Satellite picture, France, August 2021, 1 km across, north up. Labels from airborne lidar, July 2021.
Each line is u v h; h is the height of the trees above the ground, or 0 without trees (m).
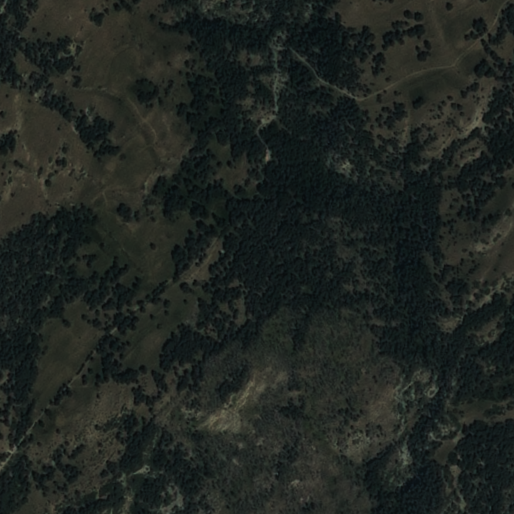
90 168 0
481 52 0
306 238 18
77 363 0
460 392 9
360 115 7
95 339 0
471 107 0
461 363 6
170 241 0
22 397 15
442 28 0
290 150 15
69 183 0
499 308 17
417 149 13
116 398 0
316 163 10
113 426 6
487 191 15
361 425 0
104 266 0
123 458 9
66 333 0
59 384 0
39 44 8
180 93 0
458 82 0
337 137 19
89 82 0
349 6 0
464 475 12
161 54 0
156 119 0
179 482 11
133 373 18
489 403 0
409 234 16
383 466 17
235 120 14
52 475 12
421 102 11
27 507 0
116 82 0
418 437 8
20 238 13
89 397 0
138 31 0
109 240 0
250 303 11
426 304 13
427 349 18
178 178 13
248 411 0
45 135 0
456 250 0
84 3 0
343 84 6
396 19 0
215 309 14
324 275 18
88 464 0
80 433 0
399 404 7
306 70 15
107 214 0
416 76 0
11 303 15
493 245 0
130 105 0
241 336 15
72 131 0
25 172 0
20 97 0
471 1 0
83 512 15
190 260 13
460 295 11
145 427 9
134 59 0
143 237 0
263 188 20
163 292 6
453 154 6
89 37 0
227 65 19
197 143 7
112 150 11
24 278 16
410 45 0
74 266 9
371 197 18
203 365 13
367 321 15
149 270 0
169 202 19
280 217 17
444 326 0
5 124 0
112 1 0
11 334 11
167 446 16
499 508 17
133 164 0
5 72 7
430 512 8
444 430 0
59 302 17
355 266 12
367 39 13
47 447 0
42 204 0
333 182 13
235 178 0
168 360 13
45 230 14
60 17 0
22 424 11
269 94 13
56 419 0
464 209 12
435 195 13
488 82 0
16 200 0
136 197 0
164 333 0
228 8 11
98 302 12
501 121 14
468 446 19
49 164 0
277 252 14
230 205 15
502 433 14
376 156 13
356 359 0
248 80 15
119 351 16
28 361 16
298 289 14
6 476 13
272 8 12
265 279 18
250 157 14
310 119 7
